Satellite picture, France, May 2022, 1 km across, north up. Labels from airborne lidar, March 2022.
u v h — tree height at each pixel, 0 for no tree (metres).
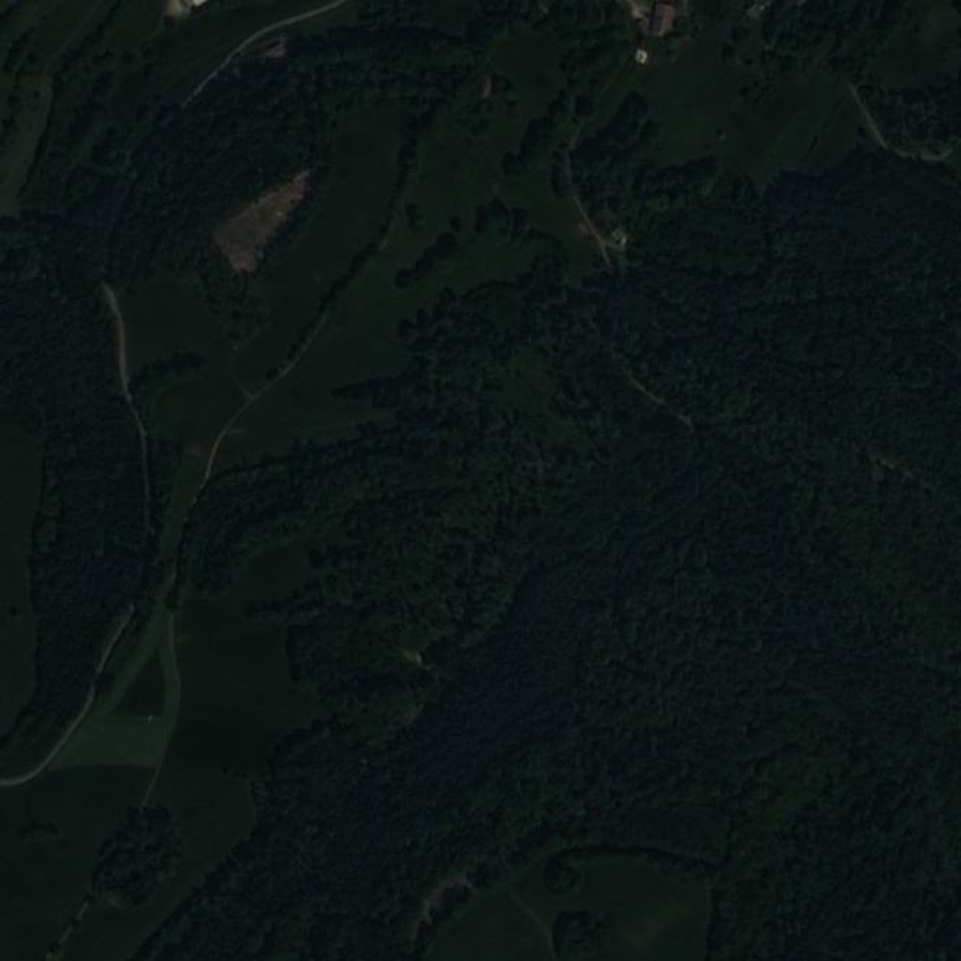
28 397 24
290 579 0
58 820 0
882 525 18
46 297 25
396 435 6
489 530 8
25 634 0
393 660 0
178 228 23
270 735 0
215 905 25
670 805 14
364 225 0
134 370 0
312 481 29
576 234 0
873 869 23
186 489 0
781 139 0
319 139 18
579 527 17
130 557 24
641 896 0
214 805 0
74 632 12
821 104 0
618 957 0
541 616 26
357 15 0
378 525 24
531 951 0
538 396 0
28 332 30
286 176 18
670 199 34
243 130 27
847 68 9
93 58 10
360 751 27
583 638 23
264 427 0
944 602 19
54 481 15
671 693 31
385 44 26
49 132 9
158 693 0
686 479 23
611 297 27
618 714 34
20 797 0
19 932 0
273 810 21
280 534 24
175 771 0
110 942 0
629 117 20
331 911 22
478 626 33
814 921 27
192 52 0
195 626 0
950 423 20
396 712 33
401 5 9
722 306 26
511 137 0
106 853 6
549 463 16
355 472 34
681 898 0
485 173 0
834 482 21
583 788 29
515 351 25
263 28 0
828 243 35
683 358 25
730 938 30
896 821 31
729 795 24
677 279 27
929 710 26
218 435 0
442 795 27
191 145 21
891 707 29
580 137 0
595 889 0
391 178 0
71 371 29
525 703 29
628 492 14
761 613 31
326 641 30
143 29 0
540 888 0
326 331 0
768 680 16
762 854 20
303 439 0
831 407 20
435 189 0
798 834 21
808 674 23
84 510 30
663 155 0
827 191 28
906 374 36
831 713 16
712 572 22
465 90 24
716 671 25
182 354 0
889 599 22
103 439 28
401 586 23
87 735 0
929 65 0
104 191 26
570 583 23
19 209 0
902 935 14
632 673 9
